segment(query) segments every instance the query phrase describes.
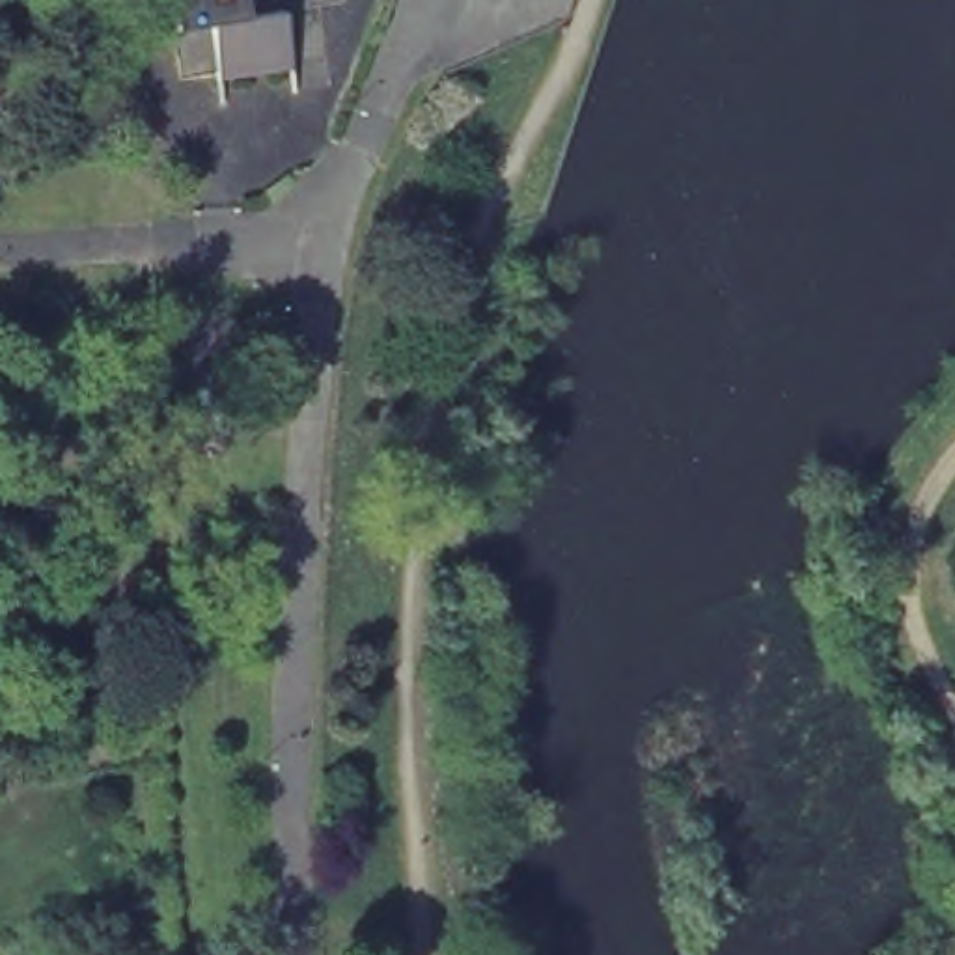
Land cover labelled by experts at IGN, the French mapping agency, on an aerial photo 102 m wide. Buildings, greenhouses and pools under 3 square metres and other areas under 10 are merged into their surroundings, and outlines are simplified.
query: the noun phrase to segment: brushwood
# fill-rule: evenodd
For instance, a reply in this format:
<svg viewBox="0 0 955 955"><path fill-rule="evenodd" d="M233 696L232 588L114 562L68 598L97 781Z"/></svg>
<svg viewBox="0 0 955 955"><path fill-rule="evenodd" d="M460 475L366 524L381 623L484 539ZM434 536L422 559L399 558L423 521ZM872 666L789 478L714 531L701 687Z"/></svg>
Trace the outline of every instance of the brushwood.
<svg viewBox="0 0 955 955"><path fill-rule="evenodd" d="M254 78L228 78L228 90L261 93L287 86L287 71L272 71Z"/></svg>
<svg viewBox="0 0 955 955"><path fill-rule="evenodd" d="M302 172L291 172L276 179L265 194L242 198L239 209L246 216L257 216L276 209L302 183Z"/></svg>
<svg viewBox="0 0 955 955"><path fill-rule="evenodd" d="M339 101L332 108L328 142L347 138L347 127L362 104L362 90L369 82L377 48L388 34L399 0L377 0L354 48L354 63L347 71Z"/></svg>

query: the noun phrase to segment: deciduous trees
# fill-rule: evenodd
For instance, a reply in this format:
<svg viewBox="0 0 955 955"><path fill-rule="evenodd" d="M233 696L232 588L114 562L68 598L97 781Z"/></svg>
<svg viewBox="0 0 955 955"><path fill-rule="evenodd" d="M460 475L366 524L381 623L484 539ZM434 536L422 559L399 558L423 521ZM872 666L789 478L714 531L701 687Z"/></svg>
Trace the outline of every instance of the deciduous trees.
<svg viewBox="0 0 955 955"><path fill-rule="evenodd" d="M694 798L713 795L705 750L698 746L709 713L679 709L671 716L649 716L638 727L638 757L660 869L660 907L671 921L679 955L709 955L724 936L724 925L735 918L739 892L731 888L727 869L720 862L713 821L690 813Z"/></svg>
<svg viewBox="0 0 955 955"><path fill-rule="evenodd" d="M545 481L541 459L526 440L526 425L511 418L511 392L526 373L526 362L563 328L563 313L537 284L526 246L504 239L489 265L463 235L463 228L474 216L474 205L481 201L478 194L489 194L492 183L504 179L504 157L511 142L478 116L463 119L455 131L429 142L425 172L418 175L418 183L407 183L395 194L388 194L377 205L369 228L358 235L362 242L354 254L354 276L369 287L373 298L388 306L392 317L384 321L384 332L373 339L369 366L377 369L381 384L395 392L392 418L399 418L399 433L369 440L366 463L358 470L351 526L358 526L358 541L373 556L384 556L403 571L410 552L429 563L429 612L414 668L414 679L425 698L418 705L414 731L418 757L440 776L436 813L425 821L429 884L422 892L440 899L444 907L444 955L515 955L519 940L504 929L500 880L526 847L552 836L552 806L519 783L522 757L511 735L526 675L526 634L504 616L507 601L500 582L489 571L474 567L463 541L470 533L511 530Z"/></svg>
<svg viewBox="0 0 955 955"><path fill-rule="evenodd" d="M0 272L0 780L7 780L22 765L30 765L34 783L86 776L86 813L108 817L116 806L134 806L145 817L145 843L153 847L153 854L142 854L119 880L108 880L86 895L48 895L45 907L34 910L34 925L26 925L19 936L0 921L0 955L272 955L272 880L261 869L257 851L239 865L239 907L231 907L228 925L201 936L201 929L190 921L194 895L183 854L183 817L172 817L168 791L168 731L179 727L179 705L198 694L213 660L242 683L272 679L276 660L269 657L269 634L276 630L280 616L265 608L265 597L269 586L280 578L276 541L284 485L254 492L231 489L222 455L242 429L287 425L317 395L321 366L313 366L302 343L280 339L284 325L272 313L254 313L239 306L224 310L209 332L190 321L190 310L179 306L175 295L127 306L119 298L123 280L86 287L75 272L45 261L26 261L11 276Z"/></svg>
<svg viewBox="0 0 955 955"><path fill-rule="evenodd" d="M325 679L321 694L321 716L339 716L343 727L373 727L384 713L384 701L369 701L366 686L373 683L377 668L388 668L395 675L395 642L369 649L347 634L343 668L336 668Z"/></svg>
<svg viewBox="0 0 955 955"><path fill-rule="evenodd" d="M205 194L205 183L187 164L172 160L164 149L149 149L149 127L134 116L134 82L149 63L179 48L187 11L187 0L0 0L0 187L30 183L34 175L52 175L82 160L86 153L101 153L104 160L112 160L104 175L157 175L172 194L179 220L194 216L194 201Z"/></svg>
<svg viewBox="0 0 955 955"><path fill-rule="evenodd" d="M862 701L873 735L888 742L888 791L918 806L918 817L907 828L907 843L914 847L910 884L921 899L907 910L895 936L880 940L884 955L955 955L955 720L948 709L933 716L914 694L907 694L910 671L918 668L921 660L914 657L903 634L903 593L910 593L918 560L940 541L940 519L933 515L918 515L910 507L910 496L899 492L892 463L869 481L851 470L806 463L802 489L795 492L798 507L806 511L806 567L795 578L795 597L810 616L810 638L821 671L832 686L851 690Z"/></svg>
<svg viewBox="0 0 955 955"><path fill-rule="evenodd" d="M250 828L269 810L242 783L228 795L228 824Z"/></svg>
<svg viewBox="0 0 955 955"><path fill-rule="evenodd" d="M366 940L351 933L351 948L343 955L399 955L403 940L392 933L369 933Z"/></svg>
<svg viewBox="0 0 955 955"><path fill-rule="evenodd" d="M306 880L317 899L339 895L362 873L373 843L362 839L358 828L362 780L343 765L343 757L321 765L321 806L310 806Z"/></svg>

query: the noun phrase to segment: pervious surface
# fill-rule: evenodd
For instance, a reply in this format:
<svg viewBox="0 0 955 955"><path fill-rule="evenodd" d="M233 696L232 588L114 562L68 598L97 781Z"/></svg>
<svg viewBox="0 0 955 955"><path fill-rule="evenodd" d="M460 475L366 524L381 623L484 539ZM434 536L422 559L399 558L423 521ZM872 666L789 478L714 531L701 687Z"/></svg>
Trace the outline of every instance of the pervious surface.
<svg viewBox="0 0 955 955"><path fill-rule="evenodd" d="M481 201L474 205L474 216L463 228L463 235L489 265L504 239L511 205L507 183L522 175L530 149L548 127L556 104L567 97L582 63L589 60L604 0L582 0L571 30L563 34L556 60L511 142L504 157L504 179L492 183L489 194L478 194Z"/></svg>
<svg viewBox="0 0 955 955"><path fill-rule="evenodd" d="M940 459L929 466L918 492L910 496L910 507L918 515L933 515L948 485L955 481L955 440L940 451Z"/></svg>
<svg viewBox="0 0 955 955"><path fill-rule="evenodd" d="M440 899L422 892L429 884L425 821L418 791L418 757L414 731L418 705L425 698L414 679L414 668L429 612L429 563L410 552L403 571L395 642L395 675L395 768L407 862L403 940L399 955L444 955L444 907Z"/></svg>
<svg viewBox="0 0 955 955"><path fill-rule="evenodd" d="M903 634L914 657L921 660L918 668L944 694L948 709L955 720L955 679L936 660L936 642L925 627L921 597L910 593L903 593Z"/></svg>

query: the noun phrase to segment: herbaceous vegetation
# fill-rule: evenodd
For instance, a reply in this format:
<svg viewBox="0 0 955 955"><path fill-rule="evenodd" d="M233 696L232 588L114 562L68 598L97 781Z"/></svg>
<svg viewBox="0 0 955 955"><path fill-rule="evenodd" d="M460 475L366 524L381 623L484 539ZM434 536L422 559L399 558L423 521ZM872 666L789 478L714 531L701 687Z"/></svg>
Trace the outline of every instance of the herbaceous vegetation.
<svg viewBox="0 0 955 955"><path fill-rule="evenodd" d="M929 384L907 403L907 429L892 448L892 463L899 492L910 496L918 492L929 466L940 459L940 451L955 440L955 358L944 362L936 384Z"/></svg>
<svg viewBox="0 0 955 955"><path fill-rule="evenodd" d="M944 694L918 668L910 671L907 694L914 694L933 716L948 709Z"/></svg>
<svg viewBox="0 0 955 955"><path fill-rule="evenodd" d="M511 142L556 60L563 34L533 34L530 41L507 52L455 67L451 78L425 75L422 82L414 82L362 190L362 213L347 242L351 261L343 261L339 284L332 287L339 295L343 351L339 362L332 362L339 369L339 414L336 440L325 451L336 511L328 533L317 537L317 548L310 556L310 563L325 571L325 608L313 612L310 630L310 806L321 806L321 765L343 757L343 765L362 780L358 828L362 839L373 843L362 873L339 895L317 899L310 918L317 955L343 955L351 948L351 933L366 940L369 933L392 933L403 940L407 862L395 768L395 675L388 668L377 668L373 683L366 686L369 701L384 701L384 713L373 727L343 727L339 716L321 716L321 694L325 679L336 668L343 668L347 634L369 649L395 642L403 571L384 556L373 556L358 541L358 526L351 526L358 470L366 463L369 440L399 433L399 418L392 418L395 392L381 384L377 369L369 366L373 339L384 332L384 321L392 317L388 306L373 298L369 287L354 276L354 254L362 242L358 235L369 228L377 205L388 194L395 194L407 183L418 183L418 175L425 172L429 142L455 131L463 119L478 116Z"/></svg>
<svg viewBox="0 0 955 955"><path fill-rule="evenodd" d="M526 246L548 205L612 0L604 0L589 60L582 63L567 97L556 104L548 127L530 149L522 175L507 183L511 205L504 239Z"/></svg>
<svg viewBox="0 0 955 955"><path fill-rule="evenodd" d="M0 228L63 231L179 220L172 194L157 175L104 175L112 160L104 160L101 153L86 153L82 160L52 175L34 175L30 183L0 187Z"/></svg>
<svg viewBox="0 0 955 955"><path fill-rule="evenodd" d="M425 821L436 813L440 776L418 757L418 791Z"/></svg>
<svg viewBox="0 0 955 955"><path fill-rule="evenodd" d="M254 492L284 485L291 433L287 425L242 429L222 455L231 489Z"/></svg>
<svg viewBox="0 0 955 955"><path fill-rule="evenodd" d="M213 280L194 254L183 254L157 269L123 269L119 261L78 261L75 272L86 287L123 280L119 298L127 306L175 295L179 306L190 310L190 321L209 332L224 310L239 306L250 287L228 276Z"/></svg>
<svg viewBox="0 0 955 955"><path fill-rule="evenodd" d="M921 597L925 627L936 642L936 660L955 679L955 481L948 485L933 515L940 519L940 541L918 560L910 593Z"/></svg>
<svg viewBox="0 0 955 955"><path fill-rule="evenodd" d="M198 694L179 705L179 727L168 731L168 791L172 817L183 817L183 854L194 895L190 921L201 929L201 936L228 925L231 907L239 907L239 865L257 851L272 839L269 810L250 828L228 824L228 795L242 783L242 768L269 761L272 754L272 679L242 683L213 660Z"/></svg>
<svg viewBox="0 0 955 955"><path fill-rule="evenodd" d="M34 910L45 907L48 895L86 895L108 880L119 880L142 854L153 854L153 847L145 843L145 817L134 806L116 806L108 817L86 813L86 776L34 783L30 765L22 765L7 780L0 780L0 921L19 936L26 925L34 925Z"/></svg>

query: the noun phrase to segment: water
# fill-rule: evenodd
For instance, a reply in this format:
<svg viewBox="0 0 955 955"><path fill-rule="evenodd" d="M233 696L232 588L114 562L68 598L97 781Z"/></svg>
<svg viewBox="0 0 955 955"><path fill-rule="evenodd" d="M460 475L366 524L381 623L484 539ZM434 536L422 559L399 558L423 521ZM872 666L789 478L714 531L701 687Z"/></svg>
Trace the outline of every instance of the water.
<svg viewBox="0 0 955 955"><path fill-rule="evenodd" d="M884 955L880 940L895 936L907 910L921 899L910 884L914 847L907 843L907 828L918 817L918 806L888 791L888 742L873 735L862 701L851 690L832 686L821 671L810 638L810 616L795 597L795 578L806 567L806 511L798 507L795 492L802 489L806 463L851 470L869 481L892 463L892 448L907 429L907 403L929 384L936 384L944 362L955 358L955 0L612 0L548 205L526 246L537 284L563 313L563 328L526 362L526 373L511 392L511 418L526 425L526 440L541 459L545 481L511 530L470 533L463 541L474 567L489 571L500 582L507 601L504 616L526 634L526 675L511 735L522 757L519 783L552 806L552 836L526 847L500 880L504 929L519 940L515 955L679 955L671 921L660 907L660 869L638 757L638 727L649 716L671 716L679 709L709 713L698 746L705 750L713 795L694 798L690 813L713 821L720 862L727 869L731 888L739 892L735 918L724 925L724 936L709 955Z"/></svg>

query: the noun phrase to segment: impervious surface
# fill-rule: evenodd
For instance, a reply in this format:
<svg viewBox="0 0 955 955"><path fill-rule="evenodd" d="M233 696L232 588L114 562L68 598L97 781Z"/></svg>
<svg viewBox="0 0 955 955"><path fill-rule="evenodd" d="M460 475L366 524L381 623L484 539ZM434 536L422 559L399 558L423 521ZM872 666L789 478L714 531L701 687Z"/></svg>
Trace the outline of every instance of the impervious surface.
<svg viewBox="0 0 955 955"><path fill-rule="evenodd" d="M265 608L280 616L276 630L269 634L269 657L276 660L272 679L272 754L269 761L242 768L242 783L269 810L272 839L257 851L261 869L272 880L272 955L317 955L310 918L317 899L306 880L310 806L310 630L313 612L325 608L325 571L310 563L310 556L317 548L317 537L328 533L336 511L325 451L336 440L339 414L339 369L332 362L339 362L343 351L339 295L332 287L339 284L343 261L351 261L347 242L362 213L362 190L414 82L422 82L425 75L451 78L455 67L507 52L530 41L533 34L563 34L571 30L582 0L399 0L388 34L377 48L369 82L362 90L362 104L347 127L347 138L328 142L332 108L339 101L347 71L354 63L354 48L377 0L254 0L257 15L291 19L298 93L287 93L287 86L261 93L228 90L228 108L216 108L213 41L209 30L194 30L194 11L187 11L179 48L149 63L134 82L134 116L149 127L149 149L164 149L172 160L187 164L205 183L205 194L194 201L194 216L179 220L63 231L0 228L0 272L11 276L26 261L45 261L75 272L78 261L119 261L123 269L157 269L183 254L194 254L213 280L228 276L250 287L239 306L254 313L272 313L284 325L280 339L302 343L313 366L321 366L317 395L287 425L291 433L284 485L276 541L280 578L269 586L265 597ZM239 209L242 198L265 194L276 179L291 172L302 172L302 183L276 209L257 216L246 216Z"/></svg>

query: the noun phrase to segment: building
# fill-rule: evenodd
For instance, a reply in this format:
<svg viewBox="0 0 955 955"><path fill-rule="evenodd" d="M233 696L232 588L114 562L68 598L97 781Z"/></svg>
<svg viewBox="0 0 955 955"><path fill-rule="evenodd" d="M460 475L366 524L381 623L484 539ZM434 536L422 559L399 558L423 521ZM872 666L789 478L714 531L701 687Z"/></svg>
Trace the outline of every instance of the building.
<svg viewBox="0 0 955 955"><path fill-rule="evenodd" d="M216 108L228 108L228 90L228 78L254 78L272 71L287 71L287 86L287 93L298 93L291 19L257 15L254 0L187 0L187 11L194 11L194 30L209 30L213 41Z"/></svg>

